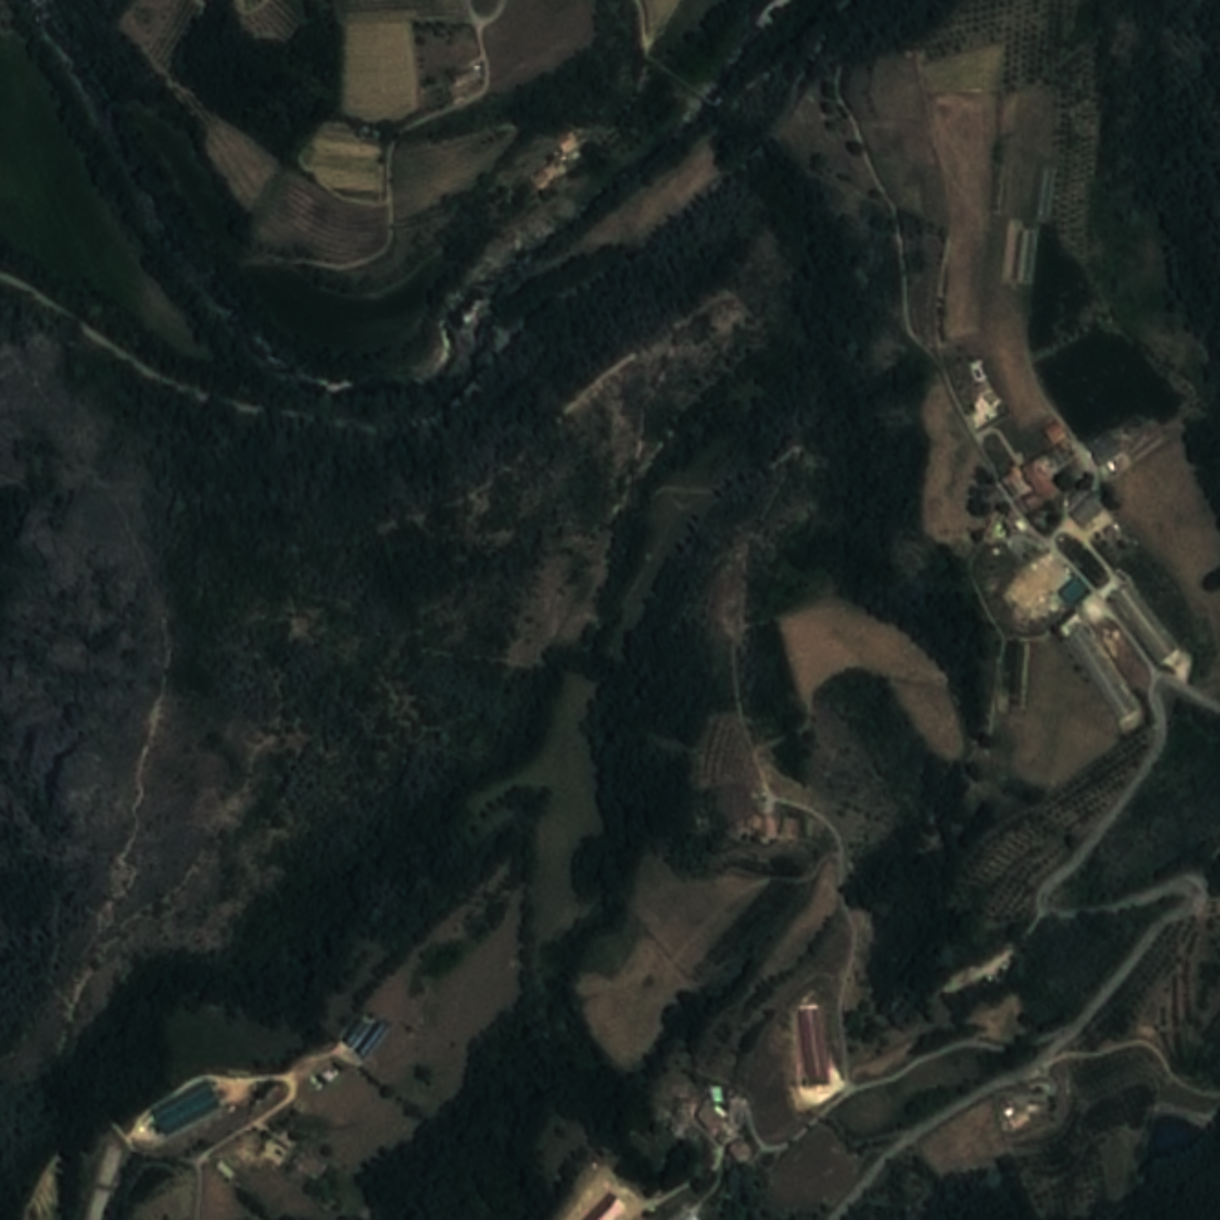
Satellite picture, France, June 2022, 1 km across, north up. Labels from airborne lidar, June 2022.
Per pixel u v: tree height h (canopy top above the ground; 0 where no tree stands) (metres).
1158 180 23
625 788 21
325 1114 0
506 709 22
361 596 6
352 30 0
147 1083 17
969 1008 12
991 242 0
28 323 10
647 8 0
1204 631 0
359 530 7
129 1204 9
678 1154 12
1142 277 0
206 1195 0
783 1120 0
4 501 18
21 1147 21
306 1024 14
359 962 9
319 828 6
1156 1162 15
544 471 12
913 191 0
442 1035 0
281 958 24
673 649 11
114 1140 0
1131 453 0
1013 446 0
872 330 7
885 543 7
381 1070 0
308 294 0
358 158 0
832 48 13
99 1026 12
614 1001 0
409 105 0
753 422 12
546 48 0
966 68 0
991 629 7
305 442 12
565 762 0
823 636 0
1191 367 0
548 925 0
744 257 8
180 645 6
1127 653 0
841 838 0
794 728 11
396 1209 26
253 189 0
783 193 14
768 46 11
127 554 0
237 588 8
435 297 14
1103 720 0
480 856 10
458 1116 28
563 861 0
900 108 0
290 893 13
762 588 6
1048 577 0
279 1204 0
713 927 0
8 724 6
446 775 16
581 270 16
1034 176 0
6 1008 13
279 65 8
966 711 10
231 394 13
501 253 0
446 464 14
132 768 0
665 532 0
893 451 6
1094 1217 9
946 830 17
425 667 21
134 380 17
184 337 0
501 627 8
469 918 6
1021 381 0
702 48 15
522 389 13
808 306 31
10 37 0
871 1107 0
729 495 15
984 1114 0
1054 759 0
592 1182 0
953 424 0
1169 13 9
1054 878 0
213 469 11
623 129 16
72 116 17
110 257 0
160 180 18
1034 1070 0
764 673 9
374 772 11
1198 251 12
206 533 9
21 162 0
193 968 16
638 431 8
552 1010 7
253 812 7
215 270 12
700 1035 9
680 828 10
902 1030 14
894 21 8
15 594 5
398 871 12
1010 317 0
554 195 8
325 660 9
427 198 0
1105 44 9
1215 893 11
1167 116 19
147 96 15
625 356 7
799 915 0
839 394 16
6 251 17
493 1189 13
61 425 0
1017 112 0
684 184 0
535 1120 19
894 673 0
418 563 15
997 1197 16
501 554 13
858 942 0
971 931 13
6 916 9
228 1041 0
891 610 16
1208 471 14
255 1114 0
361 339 0
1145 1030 0
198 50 14
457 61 0
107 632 9
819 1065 0
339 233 0
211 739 8
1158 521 0
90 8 14
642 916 0
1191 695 0
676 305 12
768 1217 9
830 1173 0
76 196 0
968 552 0
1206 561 0
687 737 10
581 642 6
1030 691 0
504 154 7
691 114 0
